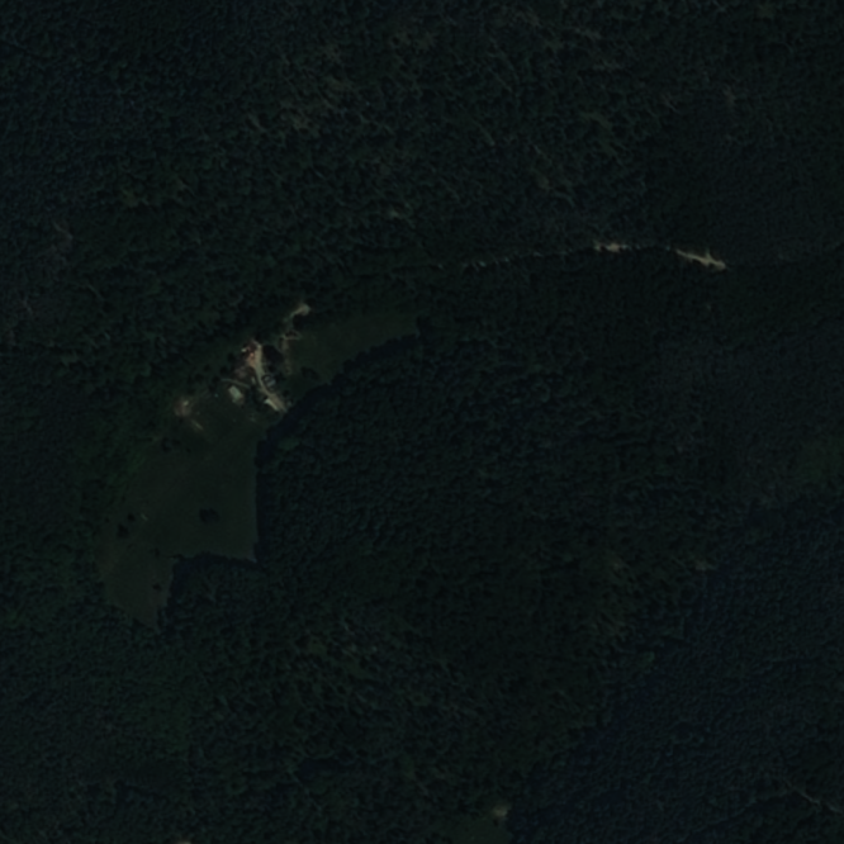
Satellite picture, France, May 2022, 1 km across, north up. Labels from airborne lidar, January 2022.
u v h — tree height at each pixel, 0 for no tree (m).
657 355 26
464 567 14
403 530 10
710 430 19
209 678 18
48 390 14
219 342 25
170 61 18
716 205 21
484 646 21
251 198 31
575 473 25
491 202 32
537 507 23
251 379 0
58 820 25
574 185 29
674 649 33
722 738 29
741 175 17
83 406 18
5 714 24
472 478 25
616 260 18
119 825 28
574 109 23
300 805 32
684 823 26
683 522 25
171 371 29
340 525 20
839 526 33
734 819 24
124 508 0
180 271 31
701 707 29
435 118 15
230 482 0
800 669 23
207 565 21
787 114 16
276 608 18
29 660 27
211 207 12
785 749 25
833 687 26
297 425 25
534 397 36
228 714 26
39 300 17
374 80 20
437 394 28
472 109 26
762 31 18
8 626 29
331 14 21
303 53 20
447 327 23
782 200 21
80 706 22
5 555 25
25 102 22
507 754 13
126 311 28
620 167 23
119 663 21
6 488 19
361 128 28
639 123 20
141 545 0
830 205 20
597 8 11
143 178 8
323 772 33
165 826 25
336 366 0
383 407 27
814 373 22
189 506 0
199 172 24
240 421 0
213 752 31
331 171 7
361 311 25
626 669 38
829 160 14
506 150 27
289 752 23
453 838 0
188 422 7
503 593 20
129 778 20
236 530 0
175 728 25
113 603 8
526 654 23
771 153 24
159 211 20
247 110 21
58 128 21
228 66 18
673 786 32
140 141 8
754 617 28
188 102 26
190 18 19
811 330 21
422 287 24
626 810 29
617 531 28
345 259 25
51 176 20
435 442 21
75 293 19
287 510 24
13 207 21
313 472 21
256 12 18
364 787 30
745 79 9
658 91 24
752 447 21
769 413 20
